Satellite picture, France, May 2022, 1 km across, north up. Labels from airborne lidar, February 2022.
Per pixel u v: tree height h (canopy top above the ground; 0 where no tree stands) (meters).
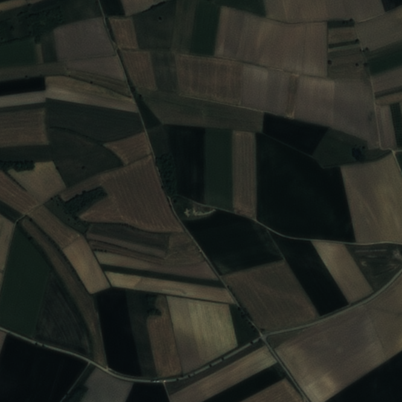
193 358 0
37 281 0
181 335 0
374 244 0
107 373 0
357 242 0
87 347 0
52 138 0
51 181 0
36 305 0
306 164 0
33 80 0
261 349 0
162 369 0
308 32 0
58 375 0
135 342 0
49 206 0
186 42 0
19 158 0
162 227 0
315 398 0
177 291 0
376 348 0
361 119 0
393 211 0
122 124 0
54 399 0
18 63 0
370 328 0
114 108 0
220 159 0
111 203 0
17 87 0
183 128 0
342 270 0
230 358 0
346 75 0
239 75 0
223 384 0
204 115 0
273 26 0
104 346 0
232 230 0
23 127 0
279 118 0
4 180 0
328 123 0
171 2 0
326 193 0
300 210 0
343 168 0
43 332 0
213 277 0
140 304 0
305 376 0
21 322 0
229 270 0
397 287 0
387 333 0
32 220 7
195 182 0
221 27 0
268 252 0
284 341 0
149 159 0
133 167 0
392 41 0
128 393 0
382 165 0
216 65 0
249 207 0
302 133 0
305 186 0
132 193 0
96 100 0
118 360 0
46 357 0
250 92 0
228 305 0
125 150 0
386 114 0
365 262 0
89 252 0
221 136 0
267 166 0
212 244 0
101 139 0
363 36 0
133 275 0
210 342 0
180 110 0
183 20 0
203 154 0
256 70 0
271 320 0
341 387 0
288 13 0
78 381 0
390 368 0
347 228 0
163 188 9
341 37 0
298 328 0
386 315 0
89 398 0
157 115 0
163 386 0
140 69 0
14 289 0
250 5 0
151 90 0
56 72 0
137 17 0
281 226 0
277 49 0
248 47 0
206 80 0
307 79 0
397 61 0
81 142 0
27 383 0
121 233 0
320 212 0
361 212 0
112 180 0
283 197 0
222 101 0
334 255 0
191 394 0
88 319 0
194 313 0
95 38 0
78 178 0
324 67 0
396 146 0
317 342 0
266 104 0
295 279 0
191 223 0
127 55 0
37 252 0
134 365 0
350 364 0
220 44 0
